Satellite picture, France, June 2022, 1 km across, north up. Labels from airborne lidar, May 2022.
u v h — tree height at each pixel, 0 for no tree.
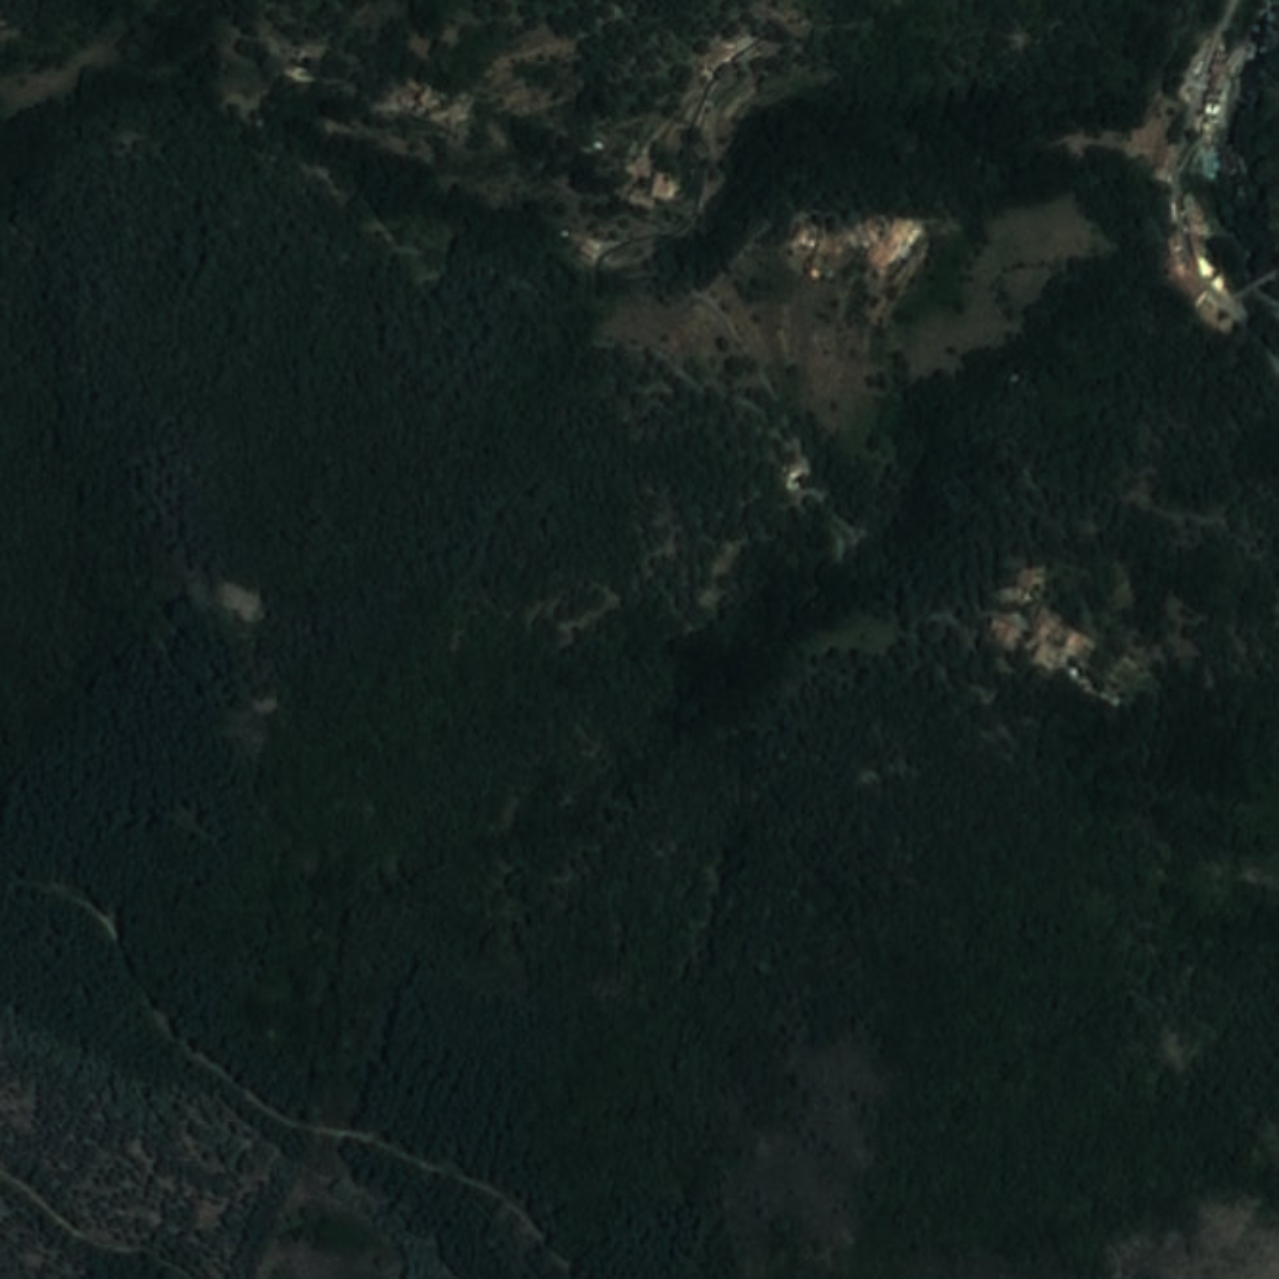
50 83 0
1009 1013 17
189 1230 20
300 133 20
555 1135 19
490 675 16
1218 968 11
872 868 10
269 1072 23
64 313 19
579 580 9
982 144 19
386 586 18
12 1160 19
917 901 11
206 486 11
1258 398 7
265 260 12
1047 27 10
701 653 21
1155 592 10
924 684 12
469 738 22
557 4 16
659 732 16
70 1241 11
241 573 17
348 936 12
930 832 8
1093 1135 17
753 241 8
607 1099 15
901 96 10
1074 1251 13
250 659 10
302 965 17
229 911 19
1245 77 0
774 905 16
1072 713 11
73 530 26
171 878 26
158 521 11
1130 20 7
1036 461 14
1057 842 11
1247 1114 8
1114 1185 13
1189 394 9
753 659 24
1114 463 9
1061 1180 10
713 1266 9
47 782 22
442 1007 29
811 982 12
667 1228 21
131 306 14
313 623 16
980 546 13
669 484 12
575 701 15
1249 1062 6
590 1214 17
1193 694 10
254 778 11
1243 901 12
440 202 23
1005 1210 15
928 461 19
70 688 26
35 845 25
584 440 13
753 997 14
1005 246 0
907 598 16
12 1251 17
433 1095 18
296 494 20
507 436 21
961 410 14
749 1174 0
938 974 14
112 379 12
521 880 20
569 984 7
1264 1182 14
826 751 11
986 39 9
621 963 13
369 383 18
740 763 18
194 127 10
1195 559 7
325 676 17
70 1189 13
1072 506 17
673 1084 16
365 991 13
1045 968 22
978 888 8
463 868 22
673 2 18
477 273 13
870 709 12
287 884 16
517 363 18
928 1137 17
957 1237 9
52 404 20
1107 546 13
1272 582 11
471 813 16
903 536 24
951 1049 17
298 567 19
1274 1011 15
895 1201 13
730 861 18
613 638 21
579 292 15
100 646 22
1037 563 12
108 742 26
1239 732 9
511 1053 24
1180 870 16
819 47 13
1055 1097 15
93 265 11
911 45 9
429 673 17
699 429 10
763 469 12
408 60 11
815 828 12
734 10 13
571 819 7
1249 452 10
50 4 20
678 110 9
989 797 8
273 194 9
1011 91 18
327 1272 0
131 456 13
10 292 15
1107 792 18
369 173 19
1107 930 12
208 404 11
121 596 18
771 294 6
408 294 10
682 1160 20
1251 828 9
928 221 9
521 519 13
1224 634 13
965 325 0
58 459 27
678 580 12
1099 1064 10
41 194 30
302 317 12
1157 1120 19
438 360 16
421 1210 19
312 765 20
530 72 7
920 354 0
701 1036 16
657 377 7
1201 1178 13
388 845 20
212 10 9
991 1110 15
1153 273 24
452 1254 19
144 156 11
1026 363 16
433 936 12
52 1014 24
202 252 13
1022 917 16
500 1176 22
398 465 25
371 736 20
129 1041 24
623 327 0
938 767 12
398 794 15
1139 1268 0
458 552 17
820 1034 10
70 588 21
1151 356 7
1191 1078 13
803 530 16
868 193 10
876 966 14
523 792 11
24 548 16
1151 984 8
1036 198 11
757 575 16
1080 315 22
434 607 17
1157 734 11
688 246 17
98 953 24
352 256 11
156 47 17
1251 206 13
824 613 25
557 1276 19
